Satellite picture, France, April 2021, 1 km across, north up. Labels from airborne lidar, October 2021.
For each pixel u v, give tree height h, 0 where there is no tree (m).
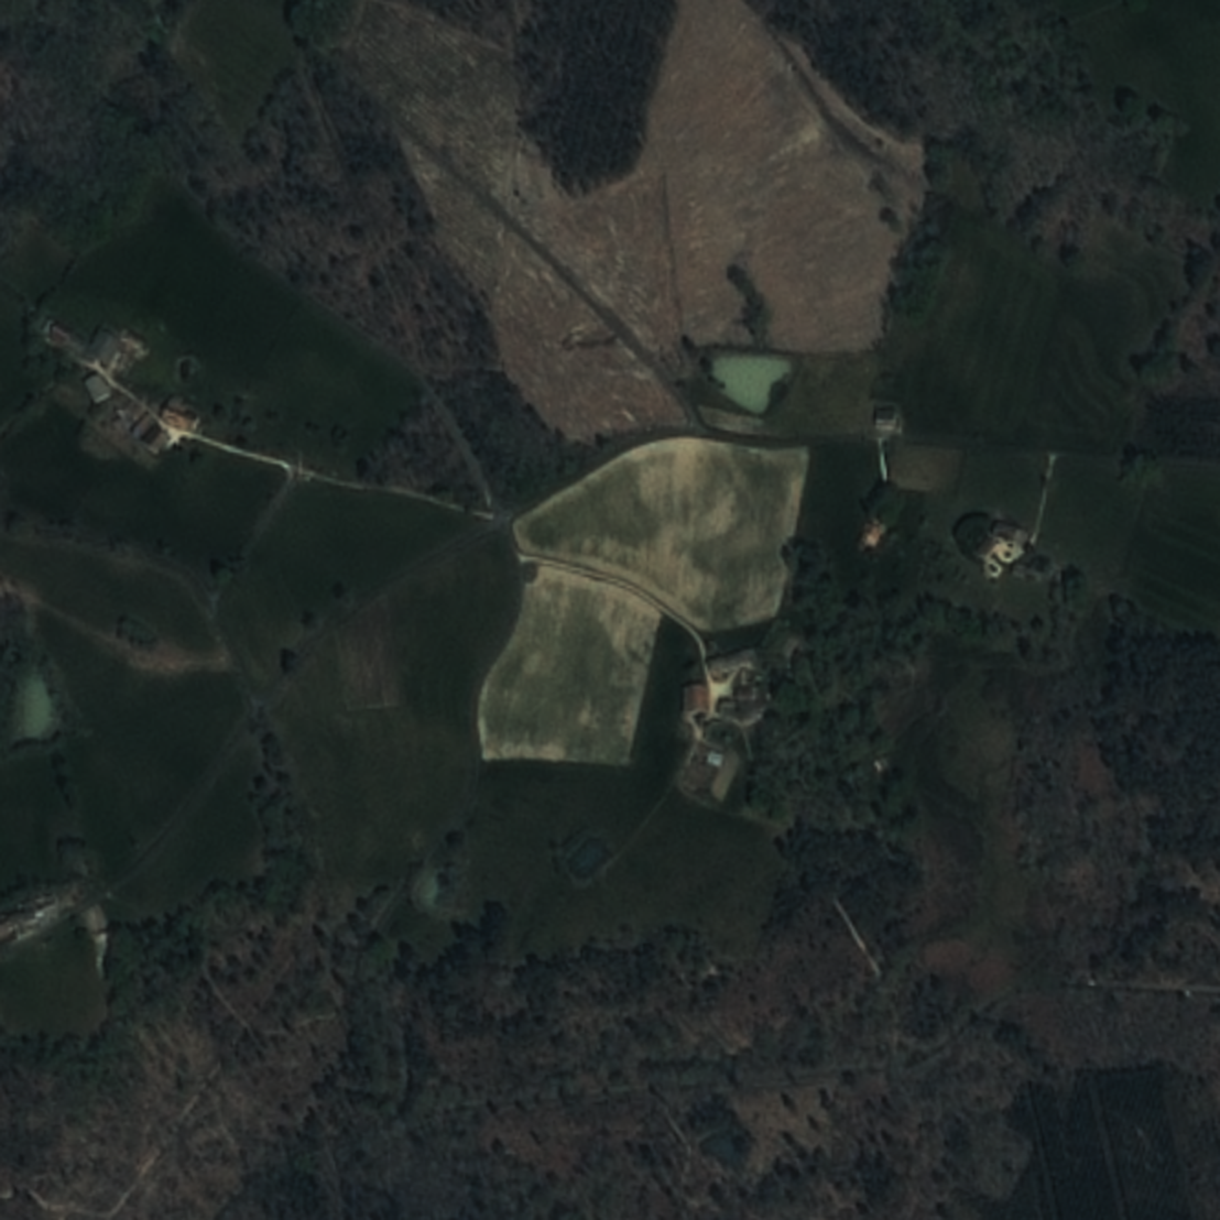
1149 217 18
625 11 15
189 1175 12
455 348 9
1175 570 0
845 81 22
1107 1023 10
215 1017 6
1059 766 7
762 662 7
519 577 0
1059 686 17
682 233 0
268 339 0
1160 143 14
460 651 0
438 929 0
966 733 0
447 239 0
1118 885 6
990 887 0
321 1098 15
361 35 0
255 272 0
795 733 10
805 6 12
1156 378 20
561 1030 13
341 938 13
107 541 0
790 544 0
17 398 0
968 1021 13
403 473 13
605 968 25
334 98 16
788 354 0
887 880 26
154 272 0
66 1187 7
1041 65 13
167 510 0
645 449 0
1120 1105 8
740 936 0
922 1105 14
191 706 0
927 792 0
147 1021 21
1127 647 25
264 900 19
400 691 0
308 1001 15
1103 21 0
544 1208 24
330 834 0
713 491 0
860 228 0
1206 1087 11
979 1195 6
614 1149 12
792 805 15
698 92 0
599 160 15
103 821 0
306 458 0
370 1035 23
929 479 0
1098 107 7
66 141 16
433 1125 18
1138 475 22
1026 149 11
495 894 0
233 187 11
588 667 0
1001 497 0
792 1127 0
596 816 0
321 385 0
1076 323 0
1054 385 0
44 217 21
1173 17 0
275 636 0
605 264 0
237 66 0
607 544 0
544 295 0
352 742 0
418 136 0
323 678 0
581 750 0
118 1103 17
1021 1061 14
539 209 0
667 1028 19
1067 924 7
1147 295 0
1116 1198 10
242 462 0
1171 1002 8
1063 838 8
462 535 0
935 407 0
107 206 19
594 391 0
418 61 0
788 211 0
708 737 9
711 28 0
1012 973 0
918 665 23
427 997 21
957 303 0
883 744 20
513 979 13
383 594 0
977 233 0
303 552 0
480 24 21
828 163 0
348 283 8
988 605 0
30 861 0
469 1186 13
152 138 16
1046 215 15
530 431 14
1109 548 0
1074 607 14
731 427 0
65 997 0
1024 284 0
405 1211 13
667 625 0
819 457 0
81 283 0
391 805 0
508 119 0
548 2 12
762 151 0
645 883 0
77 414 0
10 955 11
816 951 9
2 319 0
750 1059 15
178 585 0
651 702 0
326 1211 27
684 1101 15
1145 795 27
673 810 0
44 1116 13
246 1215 14
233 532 0
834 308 0
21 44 15
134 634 8
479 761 0
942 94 14
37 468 0
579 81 13
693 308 0
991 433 0
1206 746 21
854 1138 7
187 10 14
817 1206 9
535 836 0
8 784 0
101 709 0
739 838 0
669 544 0
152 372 0
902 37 17
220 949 12
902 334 0
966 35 17
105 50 20
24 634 13
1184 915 24
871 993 8
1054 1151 11
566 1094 17
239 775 0
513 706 0
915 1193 11
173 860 0
